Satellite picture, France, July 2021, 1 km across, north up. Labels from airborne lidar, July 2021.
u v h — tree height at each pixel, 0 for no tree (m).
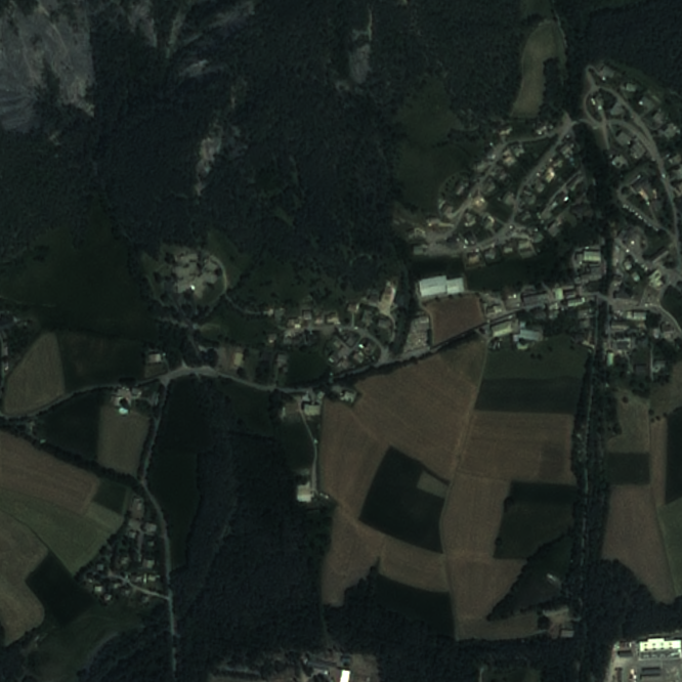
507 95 14
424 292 0
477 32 9
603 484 8
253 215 10
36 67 0
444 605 0
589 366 11
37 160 6
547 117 9
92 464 13
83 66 0
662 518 0
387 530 0
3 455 0
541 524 0
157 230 13
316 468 0
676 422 0
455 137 6
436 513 0
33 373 0
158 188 14
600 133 0
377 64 13
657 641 0
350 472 0
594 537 10
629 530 0
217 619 11
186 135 16
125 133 20
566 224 6
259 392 0
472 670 15
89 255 0
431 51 11
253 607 19
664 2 10
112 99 20
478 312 0
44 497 0
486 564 0
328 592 0
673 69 12
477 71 15
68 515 0
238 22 0
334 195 13
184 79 6
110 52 12
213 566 13
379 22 7
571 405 0
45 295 0
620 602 17
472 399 0
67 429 0
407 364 9
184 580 18
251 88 10
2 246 8
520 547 0
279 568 22
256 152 15
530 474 0
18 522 0
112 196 23
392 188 8
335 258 9
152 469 9
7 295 0
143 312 0
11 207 8
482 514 0
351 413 0
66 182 14
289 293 0
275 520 18
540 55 0
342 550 0
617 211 12
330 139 16
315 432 0
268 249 6
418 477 0
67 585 0
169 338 8
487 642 8
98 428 0
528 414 0
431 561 0
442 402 0
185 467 0
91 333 6
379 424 0
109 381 0
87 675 15
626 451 0
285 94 18
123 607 0
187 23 8
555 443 0
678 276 0
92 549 0
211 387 17
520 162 6
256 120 12
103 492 0
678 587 0
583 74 16
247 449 16
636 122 0
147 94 11
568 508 0
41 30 0
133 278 8
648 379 7
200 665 16
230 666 10
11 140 11
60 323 0
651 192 0
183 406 0
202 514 17
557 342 0
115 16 8
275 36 8
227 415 13
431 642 13
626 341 0
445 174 0
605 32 11
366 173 11
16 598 0
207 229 12
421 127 0
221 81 12
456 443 0
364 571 0
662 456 0
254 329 0
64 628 0
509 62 14
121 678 17
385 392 0
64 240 0
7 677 7
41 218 9
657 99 0
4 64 0
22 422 11
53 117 18
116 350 0
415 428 0
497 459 0
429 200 0
